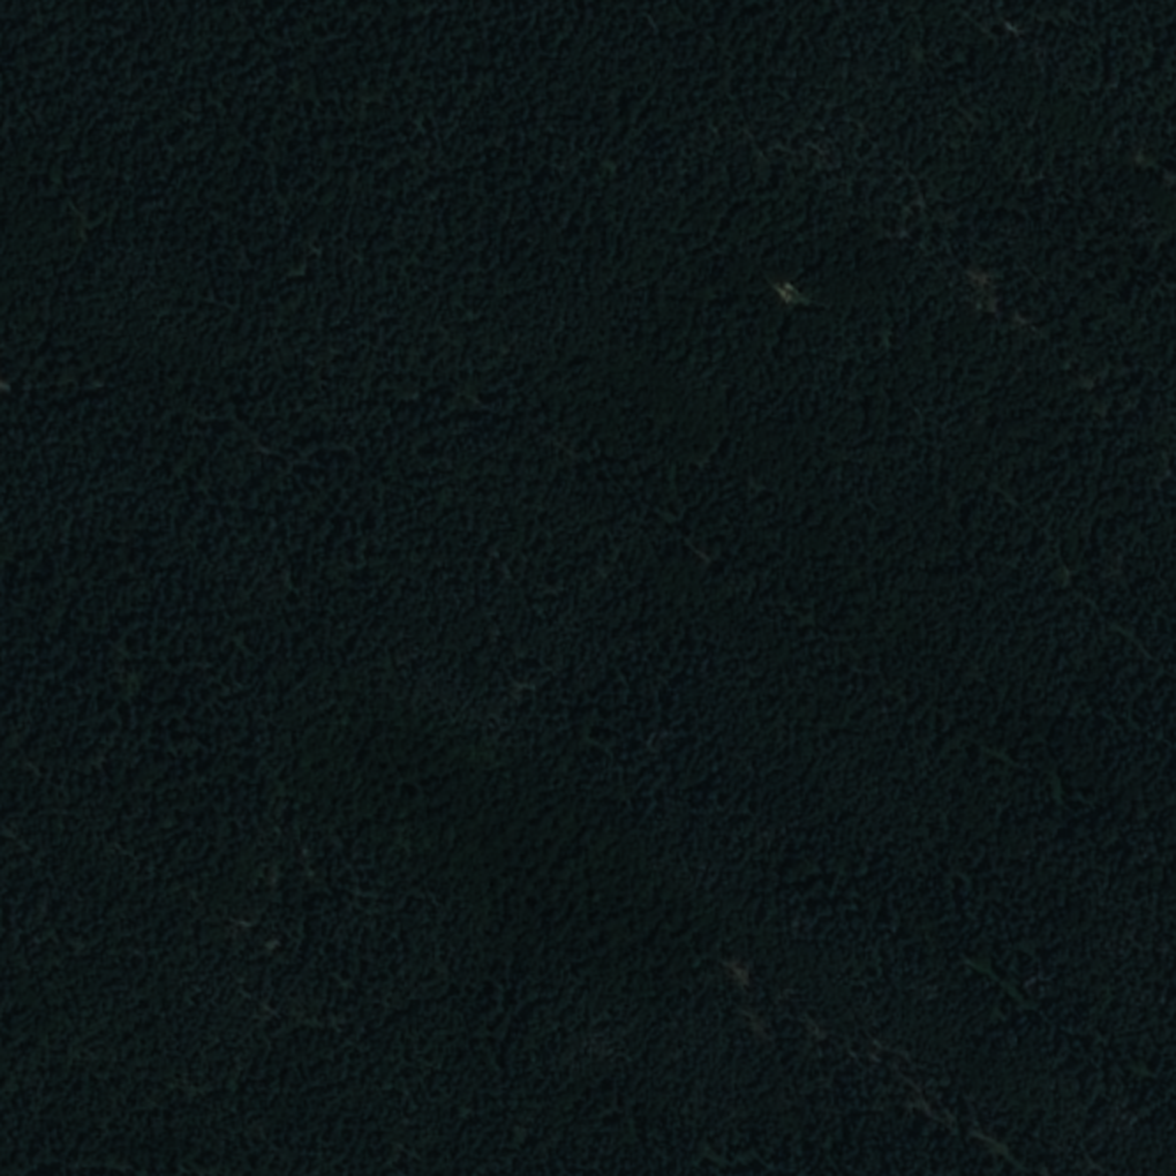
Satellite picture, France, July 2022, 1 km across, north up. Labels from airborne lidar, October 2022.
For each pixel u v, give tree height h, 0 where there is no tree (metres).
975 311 25
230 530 28
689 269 24
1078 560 7
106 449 16
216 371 14
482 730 25
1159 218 17
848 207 22
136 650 24
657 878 16
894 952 27
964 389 22
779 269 30
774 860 7
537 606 22
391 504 18
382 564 22
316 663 22
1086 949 29
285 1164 22
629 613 25
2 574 37
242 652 18
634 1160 18
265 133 24
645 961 22
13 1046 26
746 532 21
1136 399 28
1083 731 31
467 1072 21
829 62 20
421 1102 20
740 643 26
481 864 9
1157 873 22
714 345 21
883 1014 25
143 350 14
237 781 18
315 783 11
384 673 22
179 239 17
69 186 17
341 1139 14
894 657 15
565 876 24
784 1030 29
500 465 29
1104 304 21
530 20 25
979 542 25
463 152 19
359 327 29
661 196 14
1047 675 22
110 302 13
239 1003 20
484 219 15
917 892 15
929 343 25
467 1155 15
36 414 16
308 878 9
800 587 18
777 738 19
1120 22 22
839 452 15
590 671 33
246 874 17
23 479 21
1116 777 27
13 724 19
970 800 24
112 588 21
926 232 22
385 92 7
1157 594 16
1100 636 21
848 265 24
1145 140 25
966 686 16
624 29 24
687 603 17
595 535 23
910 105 15
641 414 17
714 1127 23
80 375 10
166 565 21
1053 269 23
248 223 23
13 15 16
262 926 11
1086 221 31
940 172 20
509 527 19
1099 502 16
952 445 21
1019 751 22
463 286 18
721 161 21
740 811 24
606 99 28
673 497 26
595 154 14
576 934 20
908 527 24
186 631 29
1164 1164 25
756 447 21
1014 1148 9
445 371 27
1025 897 25
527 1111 23
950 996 26
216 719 37
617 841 12
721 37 27
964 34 26
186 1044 20
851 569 20
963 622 22
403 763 17
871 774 18
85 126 14
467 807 15
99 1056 24
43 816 16
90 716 27
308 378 22
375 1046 23
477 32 21
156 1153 26
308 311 21
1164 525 21
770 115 24
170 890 19
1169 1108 15
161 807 31
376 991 10
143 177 12
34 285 14
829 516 23
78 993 18
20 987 23
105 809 19
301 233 20
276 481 35
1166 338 17
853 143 23
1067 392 24
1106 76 9
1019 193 25
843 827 24
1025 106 18
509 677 29
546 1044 10
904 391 23
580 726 23
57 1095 20
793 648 20
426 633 23
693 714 23
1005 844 27
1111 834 23
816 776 17
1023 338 23
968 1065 21
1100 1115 27
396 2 6
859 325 21
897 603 20
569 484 30
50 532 22
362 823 8
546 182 25
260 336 23
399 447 18
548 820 23
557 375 16
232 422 24
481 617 21
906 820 22
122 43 22
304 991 24
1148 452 26
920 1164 23
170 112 15
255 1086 23
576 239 19
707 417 26
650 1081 19
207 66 19
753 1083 12
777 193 20
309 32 11
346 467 32
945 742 25
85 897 19
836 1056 22
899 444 23
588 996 22
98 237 11
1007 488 25
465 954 27
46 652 25
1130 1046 9
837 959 24
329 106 18
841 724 18
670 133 30
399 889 17
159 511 22
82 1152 21
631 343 14
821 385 19
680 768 27
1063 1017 30
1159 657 25
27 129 13
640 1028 16
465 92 19
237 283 22
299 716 18
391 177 22
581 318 21
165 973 14
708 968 23
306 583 21
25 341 16
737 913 19
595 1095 19
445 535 16
